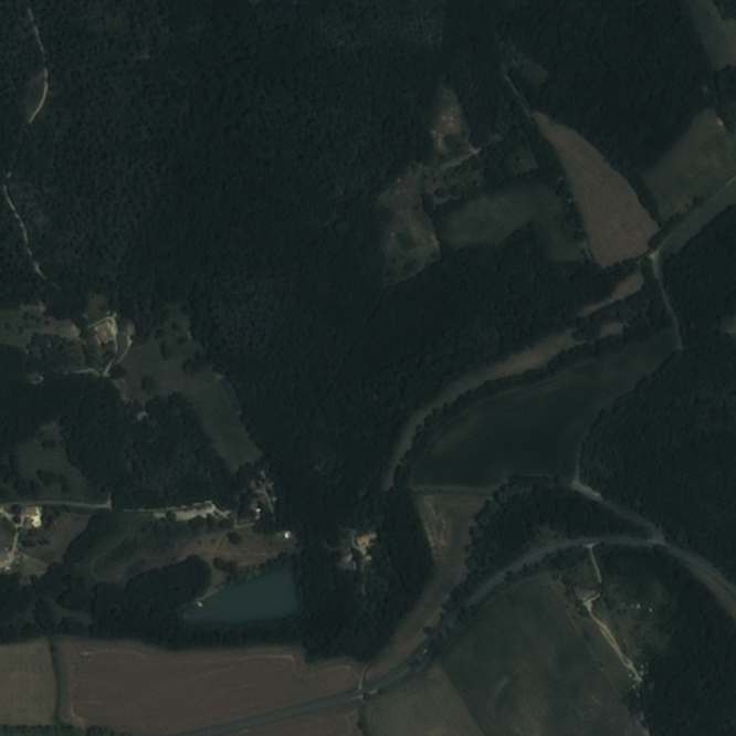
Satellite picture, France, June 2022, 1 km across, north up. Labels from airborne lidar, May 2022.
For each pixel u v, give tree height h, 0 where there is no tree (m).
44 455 0
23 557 0
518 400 0
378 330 16
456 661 0
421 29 13
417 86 18
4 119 7
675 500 16
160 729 0
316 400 14
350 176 12
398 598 18
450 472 0
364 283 11
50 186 14
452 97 0
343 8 10
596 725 0
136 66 12
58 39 22
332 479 11
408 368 21
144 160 17
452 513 0
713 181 0
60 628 16
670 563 19
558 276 22
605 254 0
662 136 16
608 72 13
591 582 0
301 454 19
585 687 0
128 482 11
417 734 0
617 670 0
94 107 18
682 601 13
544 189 0
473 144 12
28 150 8
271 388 15
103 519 18
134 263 18
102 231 12
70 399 21
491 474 0
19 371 17
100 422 16
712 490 19
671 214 0
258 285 19
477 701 0
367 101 16
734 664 21
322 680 0
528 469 0
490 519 22
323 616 21
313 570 21
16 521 10
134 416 15
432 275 19
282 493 20
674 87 21
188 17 19
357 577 17
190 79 17
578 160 0
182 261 14
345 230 21
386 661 0
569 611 0
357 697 0
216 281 15
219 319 24
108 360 7
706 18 0
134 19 23
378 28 18
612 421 18
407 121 14
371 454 19
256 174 6
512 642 0
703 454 17
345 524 21
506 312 17
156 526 8
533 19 18
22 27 17
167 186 11
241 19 9
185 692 0
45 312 8
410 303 15
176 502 21
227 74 23
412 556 22
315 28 19
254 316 28
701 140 0
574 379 0
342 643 24
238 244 13
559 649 0
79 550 18
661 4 26
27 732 20
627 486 12
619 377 0
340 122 18
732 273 17
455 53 19
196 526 14
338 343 14
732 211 19
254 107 16
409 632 0
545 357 0
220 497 13
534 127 13
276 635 17
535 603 0
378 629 17
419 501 0
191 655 0
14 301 14
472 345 18
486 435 0
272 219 9
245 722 0
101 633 19
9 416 16
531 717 0
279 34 22
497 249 6
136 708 0
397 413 18
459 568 0
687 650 12
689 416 24
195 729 0
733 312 14
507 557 11
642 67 22
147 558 0
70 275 17
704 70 14
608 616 0
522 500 23
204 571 20
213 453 14
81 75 18
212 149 22
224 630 15
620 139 18
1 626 22
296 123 19
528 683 0
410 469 13
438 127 0
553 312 14
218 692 0
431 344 12
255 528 11
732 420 18
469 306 19
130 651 0
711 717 21
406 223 0
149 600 23
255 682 0
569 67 23
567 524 11
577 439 0
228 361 25
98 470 20
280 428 21
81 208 6
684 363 21
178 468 11
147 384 18
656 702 12
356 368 11
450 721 0
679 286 21
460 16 18
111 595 24
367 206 14
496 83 16
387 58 17
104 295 14
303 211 13
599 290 24
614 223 0
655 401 19
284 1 18
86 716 0
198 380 0
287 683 0
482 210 0
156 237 8
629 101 24
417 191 0
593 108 25
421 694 0
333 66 19
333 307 13
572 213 8
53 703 0
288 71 24
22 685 0
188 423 20
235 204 13
